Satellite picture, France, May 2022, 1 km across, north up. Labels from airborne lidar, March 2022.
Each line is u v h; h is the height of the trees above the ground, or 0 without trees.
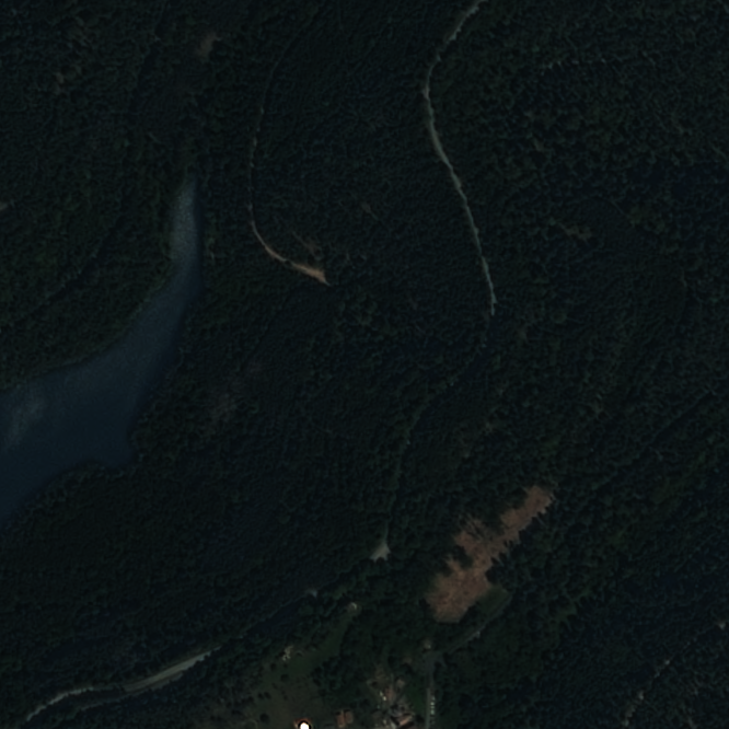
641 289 19
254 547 25
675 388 29
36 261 11
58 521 14
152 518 20
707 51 26
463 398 10
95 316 21
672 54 26
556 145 17
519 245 22
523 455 29
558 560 18
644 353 16
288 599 25
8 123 19
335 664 10
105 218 21
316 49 14
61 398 0
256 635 20
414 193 17
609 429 31
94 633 29
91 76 29
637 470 32
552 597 16
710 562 19
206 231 30
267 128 16
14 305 22
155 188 23
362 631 13
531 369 23
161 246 15
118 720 16
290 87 14
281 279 13
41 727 19
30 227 16
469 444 9
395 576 28
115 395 0
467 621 14
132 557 16
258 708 0
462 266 18
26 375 13
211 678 18
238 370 15
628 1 23
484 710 21
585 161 20
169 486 19
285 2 28
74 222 19
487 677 13
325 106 13
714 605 30
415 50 14
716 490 25
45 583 17
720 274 36
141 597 16
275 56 15
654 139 34
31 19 15
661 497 18
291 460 31
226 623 17
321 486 15
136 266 24
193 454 27
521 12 11
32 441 0
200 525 19
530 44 31
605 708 27
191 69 27
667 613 30
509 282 10
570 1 25
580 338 27
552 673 16
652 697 7
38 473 0
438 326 31
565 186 40
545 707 24
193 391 16
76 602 20
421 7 13
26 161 23
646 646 25
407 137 13
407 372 29
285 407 24
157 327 0
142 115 35
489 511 21
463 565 29
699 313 31
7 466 0
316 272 0
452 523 30
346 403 26
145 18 20
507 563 31
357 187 13
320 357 22
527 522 0
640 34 27
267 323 18
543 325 21
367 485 23
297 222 21
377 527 22
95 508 16
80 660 29
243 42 25
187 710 18
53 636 20
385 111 17
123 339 0
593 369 34
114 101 32
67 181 23
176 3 30
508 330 14
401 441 14
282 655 19
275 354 24
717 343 29
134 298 13
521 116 41
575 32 31
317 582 25
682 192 34
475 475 16
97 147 30
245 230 20
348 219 23
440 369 26
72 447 0
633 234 25
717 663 28
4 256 17
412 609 23
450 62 15
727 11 27
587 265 33
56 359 12
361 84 21
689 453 22
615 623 28
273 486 25
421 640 16
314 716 0
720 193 39
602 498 32
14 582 20
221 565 26
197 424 24
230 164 23
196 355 27
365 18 13
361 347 30
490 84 20
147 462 16
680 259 14
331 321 26
